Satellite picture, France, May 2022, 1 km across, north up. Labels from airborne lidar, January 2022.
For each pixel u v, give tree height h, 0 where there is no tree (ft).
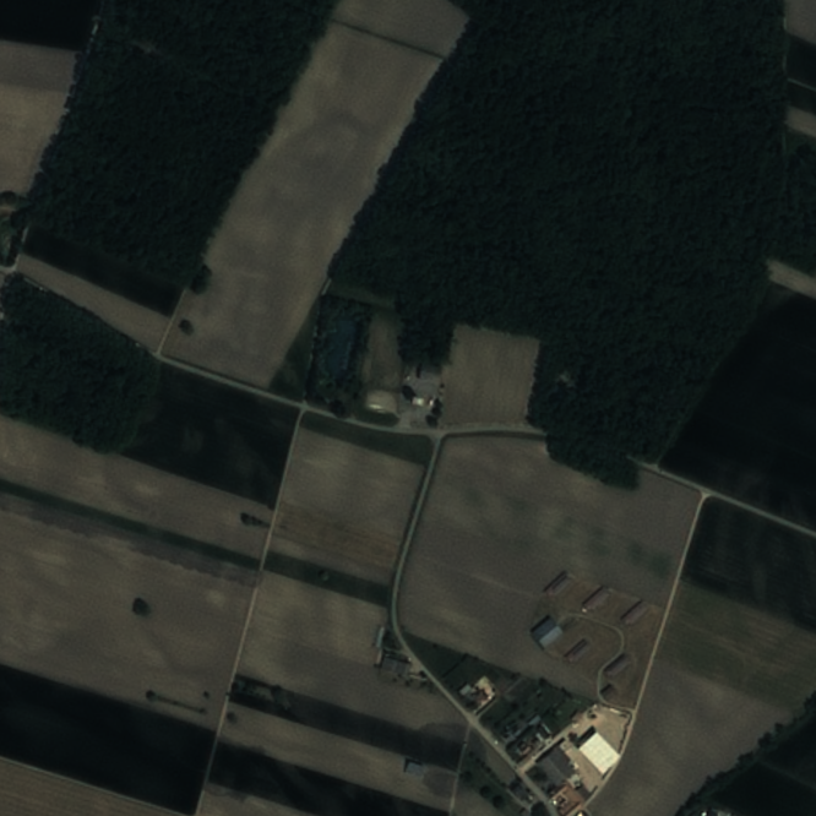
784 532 0
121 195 0
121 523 0
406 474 0
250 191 0
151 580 0
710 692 0
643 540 0
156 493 0
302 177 0
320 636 0
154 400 0
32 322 72
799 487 0
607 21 87
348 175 0
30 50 0
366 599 0
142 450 0
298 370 0
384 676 0
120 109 54
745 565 0
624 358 93
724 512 0
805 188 93
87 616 0
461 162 66
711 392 0
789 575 0
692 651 0
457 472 0
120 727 0
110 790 0
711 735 0
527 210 55
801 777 0
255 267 0
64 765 0
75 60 0
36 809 0
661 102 62
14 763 0
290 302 0
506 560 0
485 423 0
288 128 0
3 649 0
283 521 0
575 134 58
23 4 0
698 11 51
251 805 0
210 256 0
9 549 0
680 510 0
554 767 0
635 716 0
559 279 73
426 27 0
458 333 0
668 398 86
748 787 0
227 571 0
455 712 0
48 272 0
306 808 0
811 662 0
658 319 75
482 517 0
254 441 0
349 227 0
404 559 0
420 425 0
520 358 0
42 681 0
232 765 0
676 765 0
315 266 0
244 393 0
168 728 0
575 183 75
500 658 0
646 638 0
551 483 0
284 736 0
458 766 0
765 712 0
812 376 0
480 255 66
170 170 60
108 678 0
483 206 64
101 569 0
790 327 0
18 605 0
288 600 0
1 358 68
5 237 0
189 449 0
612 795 0
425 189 61
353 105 0
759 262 31
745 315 55
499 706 0
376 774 0
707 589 0
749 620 0
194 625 0
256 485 0
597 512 0
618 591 0
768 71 58
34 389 66
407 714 0
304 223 0
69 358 58
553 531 0
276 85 63
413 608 0
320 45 0
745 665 0
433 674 0
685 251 70
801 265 0
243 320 0
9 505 0
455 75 69
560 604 0
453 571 0
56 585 0
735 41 74
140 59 63
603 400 81
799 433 0
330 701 0
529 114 56
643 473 0
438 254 66
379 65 0
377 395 0
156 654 0
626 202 71
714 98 71
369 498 0
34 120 0
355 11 0
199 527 0
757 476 0
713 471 0
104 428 76
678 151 68
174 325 0
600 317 71
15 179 0
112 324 0
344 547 0
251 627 0
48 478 0
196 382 0
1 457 0
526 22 59
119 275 0
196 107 58
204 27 70
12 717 0
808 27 0
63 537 0
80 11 0
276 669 0
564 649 0
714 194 64
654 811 0
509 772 0
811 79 0
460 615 0
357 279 42
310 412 0
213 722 0
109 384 65
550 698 0
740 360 0
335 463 0
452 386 0
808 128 0
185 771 0
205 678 0
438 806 0
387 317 0
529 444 0
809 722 0
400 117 0
